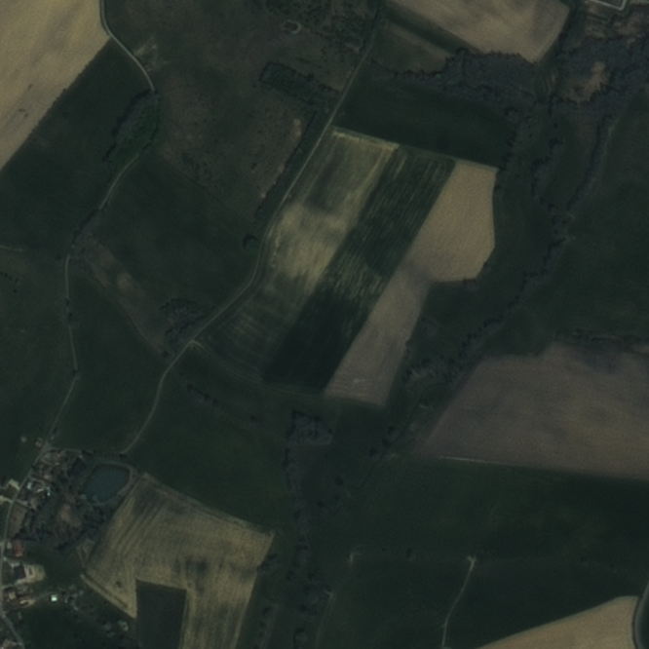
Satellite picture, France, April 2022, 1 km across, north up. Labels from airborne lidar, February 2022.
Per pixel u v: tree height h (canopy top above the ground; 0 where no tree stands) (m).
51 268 0
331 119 0
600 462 0
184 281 0
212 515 0
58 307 0
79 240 15
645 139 0
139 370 0
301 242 0
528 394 0
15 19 0
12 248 0
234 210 0
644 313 0
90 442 0
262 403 0
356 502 0
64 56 0
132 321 0
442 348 0
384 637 0
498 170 0
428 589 0
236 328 0
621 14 0
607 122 17
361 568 0
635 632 0
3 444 0
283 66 6
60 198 0
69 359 0
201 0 0
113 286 0
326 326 0
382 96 0
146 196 0
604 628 0
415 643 0
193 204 0
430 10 0
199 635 0
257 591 0
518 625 0
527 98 20
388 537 0
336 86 0
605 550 0
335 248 0
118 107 0
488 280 0
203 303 0
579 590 0
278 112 0
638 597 0
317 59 0
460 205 0
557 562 0
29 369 0
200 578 0
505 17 0
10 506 0
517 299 10
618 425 0
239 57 0
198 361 0
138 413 0
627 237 0
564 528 0
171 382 0
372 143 0
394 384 0
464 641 0
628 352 0
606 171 0
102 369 0
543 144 0
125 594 0
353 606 0
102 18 0
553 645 0
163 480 0
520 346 0
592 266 0
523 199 0
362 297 0
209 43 0
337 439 0
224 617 0
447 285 0
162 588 0
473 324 0
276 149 0
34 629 0
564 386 0
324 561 0
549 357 0
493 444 0
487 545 0
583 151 0
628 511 0
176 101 0
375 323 0
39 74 0
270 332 0
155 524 0
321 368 0
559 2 0
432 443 0
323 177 0
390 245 0
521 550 0
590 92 0
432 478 0
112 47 0
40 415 0
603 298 0
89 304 0
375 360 0
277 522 0
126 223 0
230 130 0
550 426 0
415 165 0
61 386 0
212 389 0
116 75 0
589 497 0
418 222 0
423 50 0
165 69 0
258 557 0
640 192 0
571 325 0
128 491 0
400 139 0
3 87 0
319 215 0
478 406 0
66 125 0
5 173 0
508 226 0
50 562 0
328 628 0
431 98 0
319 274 0
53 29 0
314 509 0
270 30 0
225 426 0
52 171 0
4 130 0
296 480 16
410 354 13
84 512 13
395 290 0
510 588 0
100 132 0
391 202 0
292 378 0
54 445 0
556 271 0
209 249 0
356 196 0
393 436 14
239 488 0
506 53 0
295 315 0
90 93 0
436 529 0
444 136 0
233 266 0
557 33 0
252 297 0
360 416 0
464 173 0
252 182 0
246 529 0
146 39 0
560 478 0
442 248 0
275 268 0
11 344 0
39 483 0
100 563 0
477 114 0
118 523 0
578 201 15
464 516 0
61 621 0
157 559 0
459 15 0
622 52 7
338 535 0
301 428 17
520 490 0
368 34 6
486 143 0
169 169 0
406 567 0
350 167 0
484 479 0
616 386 0
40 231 0
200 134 0
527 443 0
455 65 20
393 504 0
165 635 0
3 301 0
